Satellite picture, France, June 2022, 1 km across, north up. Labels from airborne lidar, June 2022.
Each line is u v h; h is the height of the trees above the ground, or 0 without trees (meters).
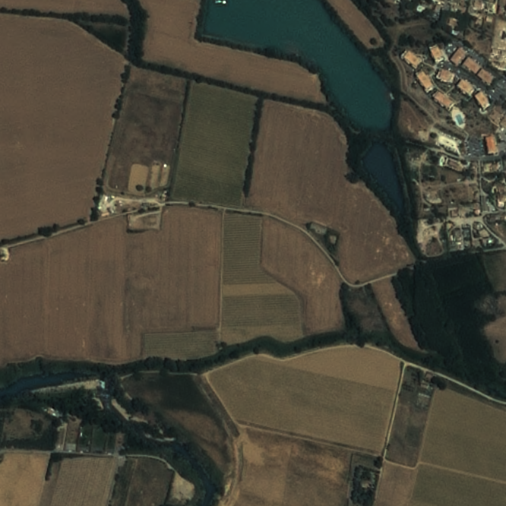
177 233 0
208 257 0
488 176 6
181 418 0
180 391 0
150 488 0
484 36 8
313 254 0
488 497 0
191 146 0
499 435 0
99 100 0
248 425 0
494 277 0
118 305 0
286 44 0
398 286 16
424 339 16
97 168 0
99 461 0
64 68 0
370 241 0
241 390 0
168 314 0
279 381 0
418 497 0
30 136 0
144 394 0
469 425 0
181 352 0
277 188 0
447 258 10
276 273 0
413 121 0
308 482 0
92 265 0
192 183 0
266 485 0
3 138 0
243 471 0
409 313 7
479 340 8
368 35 0
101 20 16
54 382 0
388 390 0
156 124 0
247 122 0
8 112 0
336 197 0
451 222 7
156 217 0
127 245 0
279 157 0
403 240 0
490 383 6
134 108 0
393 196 0
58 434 10
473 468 0
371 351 0
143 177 0
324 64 0
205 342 0
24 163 0
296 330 0
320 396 0
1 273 0
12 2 0
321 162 0
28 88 0
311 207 0
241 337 0
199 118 0
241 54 0
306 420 0
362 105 0
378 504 0
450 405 0
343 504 0
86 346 0
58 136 0
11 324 0
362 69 0
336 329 0
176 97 0
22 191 0
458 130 0
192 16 0
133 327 0
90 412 14
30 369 10
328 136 0
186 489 0
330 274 0
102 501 0
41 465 0
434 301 10
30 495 0
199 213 0
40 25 0
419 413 0
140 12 18
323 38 0
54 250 0
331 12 12
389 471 0
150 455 6
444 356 6
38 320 0
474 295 10
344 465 0
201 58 0
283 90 0
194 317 0
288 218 0
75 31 0
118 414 0
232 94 0
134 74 0
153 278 0
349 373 0
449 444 0
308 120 0
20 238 6
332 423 0
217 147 0
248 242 0
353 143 11
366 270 0
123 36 0
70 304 0
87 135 0
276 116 0
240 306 0
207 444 0
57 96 0
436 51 0
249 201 0
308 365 0
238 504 0
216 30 0
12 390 0
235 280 0
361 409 0
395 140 10
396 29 0
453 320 10
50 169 0
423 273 13
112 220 0
